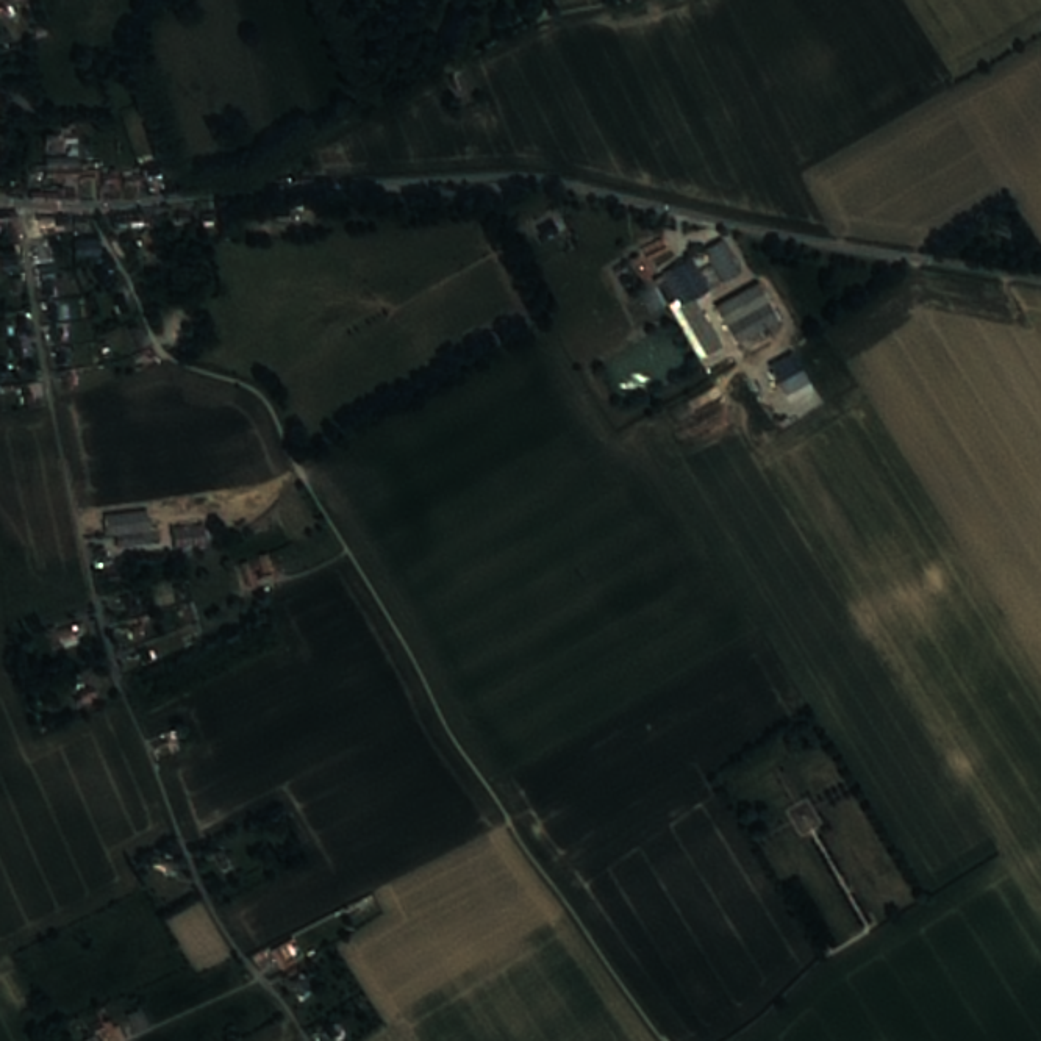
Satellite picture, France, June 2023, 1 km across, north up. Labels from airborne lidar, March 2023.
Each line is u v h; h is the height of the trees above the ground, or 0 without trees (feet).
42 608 0
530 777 0
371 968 0
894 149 0
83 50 61
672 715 0
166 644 0
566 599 0
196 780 0
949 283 0
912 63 0
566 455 0
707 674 0
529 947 0
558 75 0
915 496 0
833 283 44
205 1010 0
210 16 0
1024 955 0
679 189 0
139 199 0
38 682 63
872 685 0
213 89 0
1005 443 0
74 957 0
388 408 72
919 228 0
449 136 0
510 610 0
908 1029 0
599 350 0
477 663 0
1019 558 0
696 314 0
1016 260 52
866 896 0
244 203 69
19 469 0
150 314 51
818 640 0
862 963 0
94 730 0
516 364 0
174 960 0
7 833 0
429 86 0
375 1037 0
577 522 0
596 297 0
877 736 0
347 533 0
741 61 0
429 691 0
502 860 0
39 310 0
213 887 45
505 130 0
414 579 0
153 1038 0
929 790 0
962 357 0
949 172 0
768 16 0
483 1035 0
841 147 0
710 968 0
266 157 81
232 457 0
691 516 0
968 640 0
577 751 0
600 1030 0
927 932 0
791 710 0
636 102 0
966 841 0
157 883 0
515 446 0
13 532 0
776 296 0
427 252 0
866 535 0
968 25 0
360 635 0
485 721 0
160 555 26
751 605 0
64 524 0
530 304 66
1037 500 0
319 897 0
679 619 0
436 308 0
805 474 0
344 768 0
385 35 94
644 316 0
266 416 0
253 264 0
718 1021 0
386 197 72
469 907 0
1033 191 0
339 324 0
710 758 0
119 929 0
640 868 0
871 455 0
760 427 0
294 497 0
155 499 0
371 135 0
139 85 87
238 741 0
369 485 0
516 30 70
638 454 0
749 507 0
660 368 0
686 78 0
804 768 0
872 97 0
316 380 0
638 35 0
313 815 0
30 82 62
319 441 51
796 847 0
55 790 0
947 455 0
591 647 0
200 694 0
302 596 0
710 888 0
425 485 0
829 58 0
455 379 68
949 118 0
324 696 0
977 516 0
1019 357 0
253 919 0
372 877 0
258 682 0
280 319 0
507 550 0
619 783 0
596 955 0
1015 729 0
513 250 75
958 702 0
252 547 0
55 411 0
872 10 0
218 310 0
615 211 50
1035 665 0
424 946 0
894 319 0
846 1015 0
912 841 0
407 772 0
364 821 0
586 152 0
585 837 0
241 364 0
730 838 0
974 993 0
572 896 0
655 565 0
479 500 0
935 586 0
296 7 0
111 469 0
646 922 0
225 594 0
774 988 0
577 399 0
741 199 0
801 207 0
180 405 0
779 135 0
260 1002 0
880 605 0
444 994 0
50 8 0
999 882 0
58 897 0
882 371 0
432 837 0
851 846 0
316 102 0
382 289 0
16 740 0
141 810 0
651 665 0
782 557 0
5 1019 0
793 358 0
